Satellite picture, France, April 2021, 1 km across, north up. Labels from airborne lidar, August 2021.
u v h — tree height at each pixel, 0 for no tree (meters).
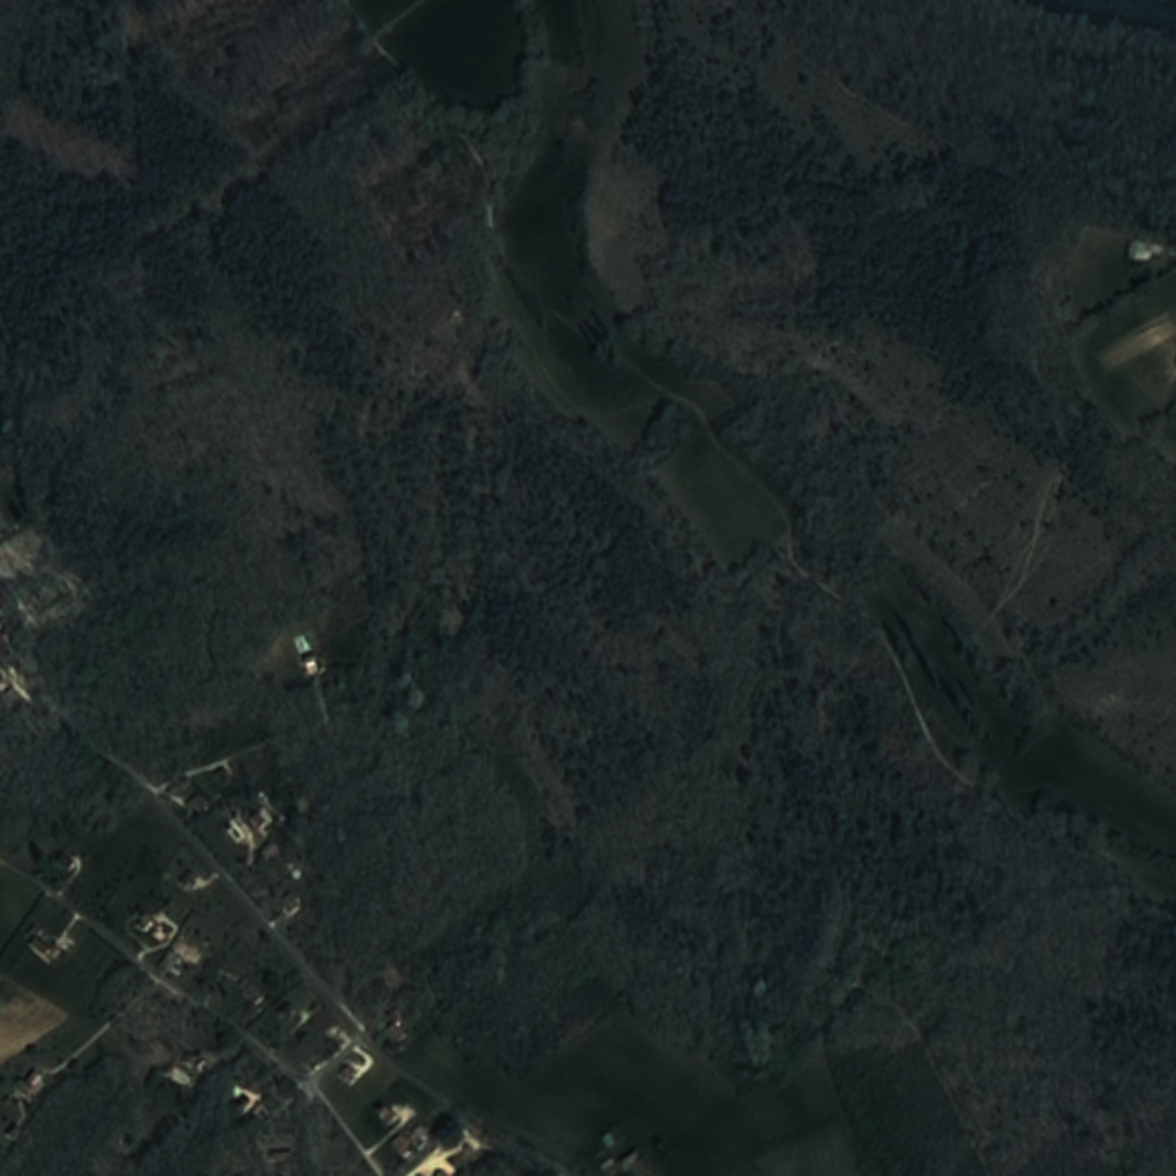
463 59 0
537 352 0
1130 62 16
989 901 9
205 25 7
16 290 14
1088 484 20
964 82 13
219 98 20
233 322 14
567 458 11
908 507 11
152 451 19
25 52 17
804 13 12
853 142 0
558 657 11
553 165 0
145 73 22
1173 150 17
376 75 7
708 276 15
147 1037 10
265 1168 13
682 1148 0
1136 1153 14
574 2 0
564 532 13
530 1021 13
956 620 6
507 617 11
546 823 9
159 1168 17
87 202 10
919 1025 7
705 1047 18
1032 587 0
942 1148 11
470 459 10
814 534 14
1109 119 13
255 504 15
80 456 17
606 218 0
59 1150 19
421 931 20
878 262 12
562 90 0
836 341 8
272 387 10
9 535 7
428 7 0
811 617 17
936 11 17
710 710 19
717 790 21
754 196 14
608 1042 0
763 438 9
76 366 6
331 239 18
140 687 19
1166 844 0
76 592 15
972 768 17
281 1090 14
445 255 20
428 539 7
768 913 11
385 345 11
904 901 14
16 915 0
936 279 17
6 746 18
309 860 20
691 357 7
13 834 20
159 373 15
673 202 14
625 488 9
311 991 11
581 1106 0
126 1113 23
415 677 9
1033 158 13
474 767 16
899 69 9
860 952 13
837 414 15
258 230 20
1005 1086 14
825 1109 0
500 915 12
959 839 20
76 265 17
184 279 13
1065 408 11
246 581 18
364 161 17
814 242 17
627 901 13
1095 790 0
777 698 10
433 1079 0
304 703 23
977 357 16
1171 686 0
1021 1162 18
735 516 0
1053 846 15
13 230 11
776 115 7
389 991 14
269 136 16
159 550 22
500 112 15
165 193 16
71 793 19
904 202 17
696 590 14
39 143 0
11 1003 0
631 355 0
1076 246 14
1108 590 10
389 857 16
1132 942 19
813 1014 10
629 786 7
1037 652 16
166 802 8
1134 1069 13
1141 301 8
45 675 24
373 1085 0
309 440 10
